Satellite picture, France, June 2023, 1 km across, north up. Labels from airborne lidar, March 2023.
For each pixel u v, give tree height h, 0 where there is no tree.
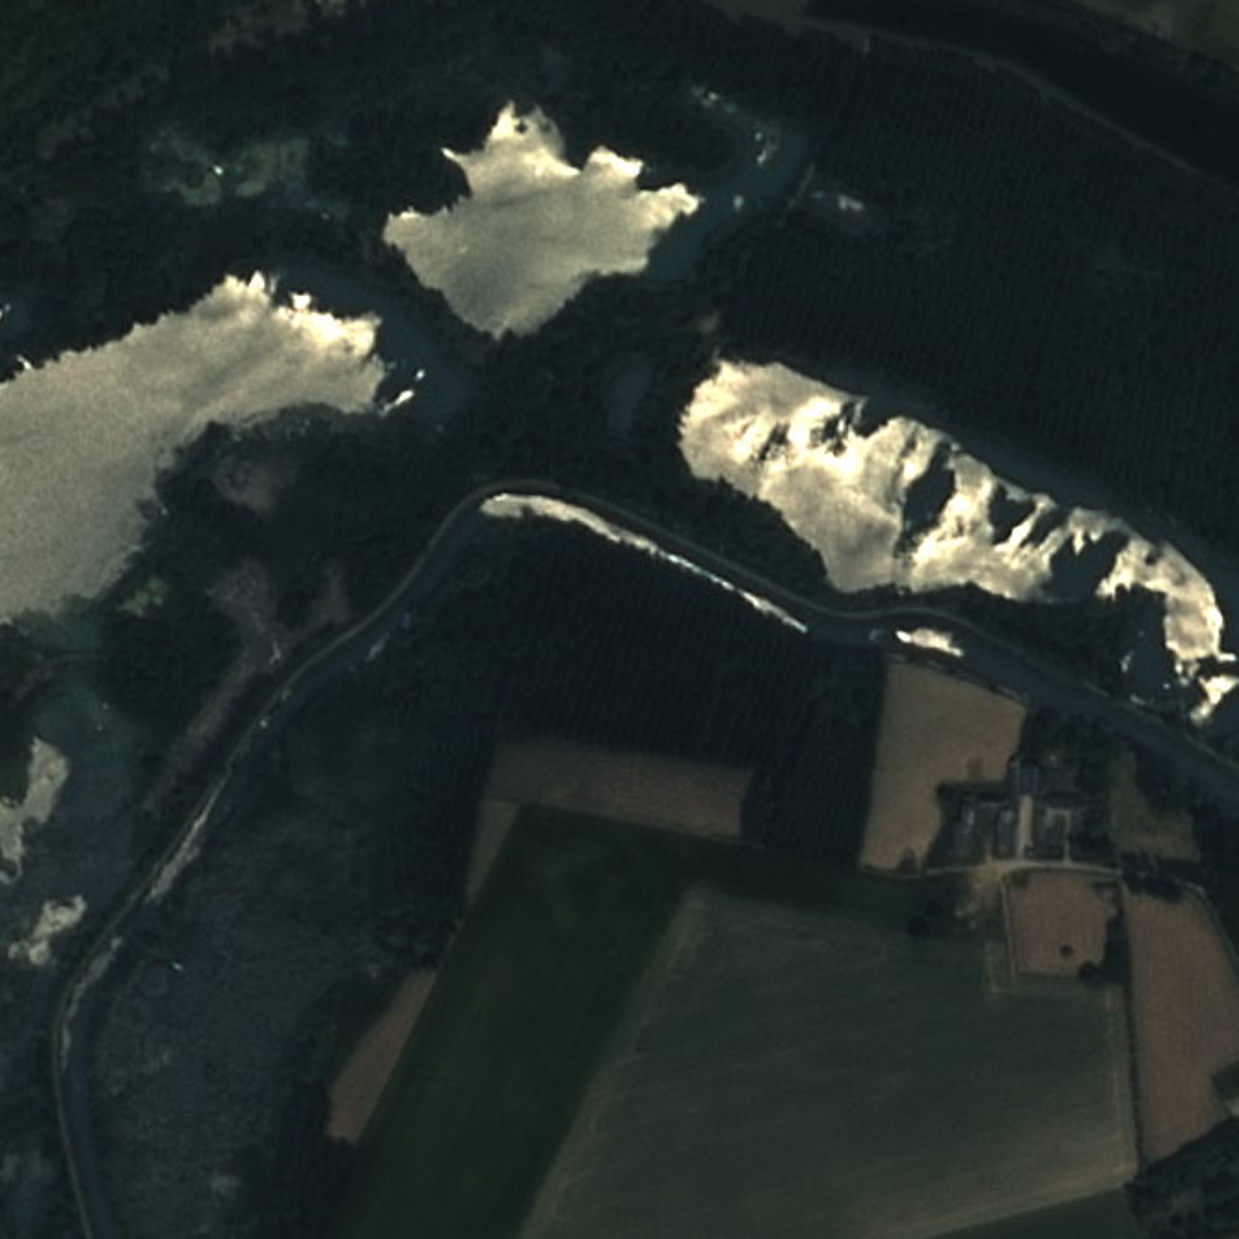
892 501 0
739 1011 0
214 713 0
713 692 7
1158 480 15
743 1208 0
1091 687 0
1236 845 19
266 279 0
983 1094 0
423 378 0
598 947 0
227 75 30
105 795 0
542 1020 0
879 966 0
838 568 0
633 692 24
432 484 13
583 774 0
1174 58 6
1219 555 13
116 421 0
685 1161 0
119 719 0
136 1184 14
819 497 0
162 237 9
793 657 27
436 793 24
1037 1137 0
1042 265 24
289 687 0
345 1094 0
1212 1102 0
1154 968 0
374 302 0
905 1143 0
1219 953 0
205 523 6
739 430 0
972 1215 0
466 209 0
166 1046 7
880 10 0
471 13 18
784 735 26
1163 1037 0
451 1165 0
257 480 0
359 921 8
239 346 0
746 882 0
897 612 0
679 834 0
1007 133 23
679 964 0
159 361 0
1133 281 6
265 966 6
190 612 12
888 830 0
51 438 0
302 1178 23
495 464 12
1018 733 0
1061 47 0
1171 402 21
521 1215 0
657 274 0
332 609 0
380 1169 0
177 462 0
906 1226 0
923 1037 0
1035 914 0
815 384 0
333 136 0
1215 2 0
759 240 16
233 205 10
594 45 20
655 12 31
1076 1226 0
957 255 23
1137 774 0
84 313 7
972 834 0
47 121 8
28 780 0
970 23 0
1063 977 0
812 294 24
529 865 0
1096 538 0
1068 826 0
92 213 7
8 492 0
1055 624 7
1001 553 0
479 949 0
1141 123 0
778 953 0
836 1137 0
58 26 17
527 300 0
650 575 26
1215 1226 11
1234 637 0
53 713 0
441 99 7
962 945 0
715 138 11
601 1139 0
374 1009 0
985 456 0
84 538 0
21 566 0
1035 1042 0
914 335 23
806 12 0
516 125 0
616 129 8
